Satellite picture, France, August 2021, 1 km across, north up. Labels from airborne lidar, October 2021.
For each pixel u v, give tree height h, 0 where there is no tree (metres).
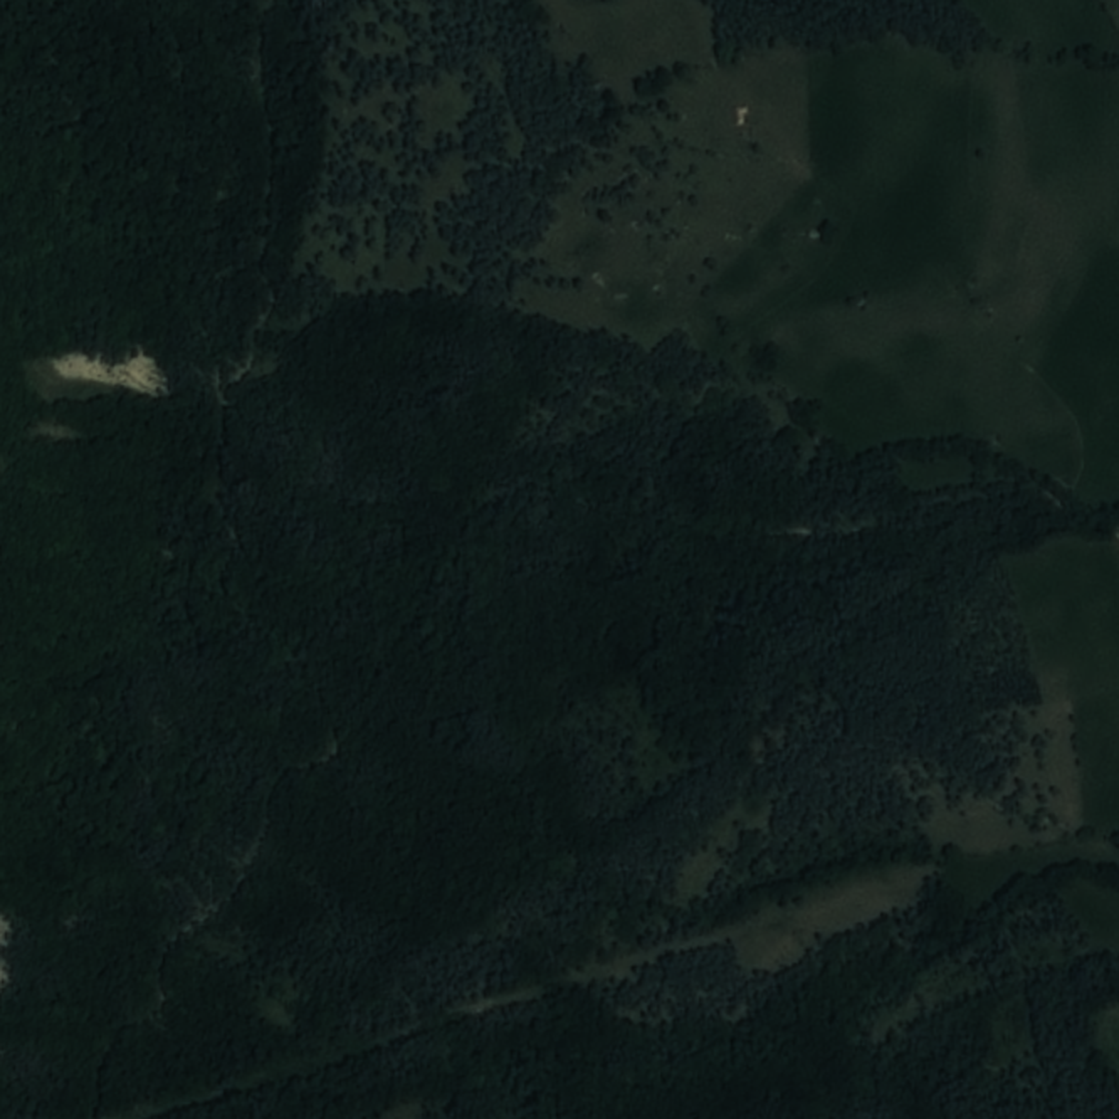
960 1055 14
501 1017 8
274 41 16
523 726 22
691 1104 26
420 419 18
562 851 13
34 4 22
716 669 29
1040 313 0
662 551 26
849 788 15
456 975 11
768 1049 25
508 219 13
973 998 14
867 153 0
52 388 0
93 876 15
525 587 22
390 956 16
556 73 11
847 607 26
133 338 15
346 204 12
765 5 19
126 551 25
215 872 13
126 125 17
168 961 12
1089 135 0
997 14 0
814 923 0
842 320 0
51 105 19
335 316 11
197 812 16
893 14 21
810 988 23
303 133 14
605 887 23
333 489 14
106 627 24
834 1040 22
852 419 0
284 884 17
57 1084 17
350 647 14
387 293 10
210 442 12
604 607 26
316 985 7
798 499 16
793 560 14
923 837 14
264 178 11
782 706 14
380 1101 28
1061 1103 17
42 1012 21
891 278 0
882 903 0
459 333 18
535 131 11
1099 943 0
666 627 26
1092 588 0
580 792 14
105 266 21
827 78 0
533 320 18
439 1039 11
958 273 0
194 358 9
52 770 16
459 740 13
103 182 12
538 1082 27
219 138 11
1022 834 0
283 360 7
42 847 23
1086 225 0
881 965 17
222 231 12
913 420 0
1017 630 14
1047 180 0
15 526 17
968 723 20
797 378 0
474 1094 19
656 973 14
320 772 15
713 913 15
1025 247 0
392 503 10
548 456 21
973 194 0
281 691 16
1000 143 0
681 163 0
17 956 13
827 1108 21
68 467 15
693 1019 16
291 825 12
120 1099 12
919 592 18
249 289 13
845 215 0
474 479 26
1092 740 0
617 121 12
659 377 12
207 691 21
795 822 18
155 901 13
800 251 0
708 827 15
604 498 21
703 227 0
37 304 19
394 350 19
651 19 0
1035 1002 15
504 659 21
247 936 6
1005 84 0
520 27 11
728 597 14
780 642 29
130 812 16
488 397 17
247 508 10
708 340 0
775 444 15
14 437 13
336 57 6
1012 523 18
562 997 14
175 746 8
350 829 14
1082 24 0
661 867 10
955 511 14
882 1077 20
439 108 0
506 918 7
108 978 24
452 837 12
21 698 17
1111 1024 0
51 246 19
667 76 14
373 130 8
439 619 18
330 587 19
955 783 15
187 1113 20
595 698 7
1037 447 0
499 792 14
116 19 12
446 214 14
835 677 20
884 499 17
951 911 21
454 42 14
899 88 0
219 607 24
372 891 13
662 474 8
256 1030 13
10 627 14
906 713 19
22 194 22
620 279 0
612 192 12
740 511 16
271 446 14
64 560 17
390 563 18
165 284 17
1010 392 0
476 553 15
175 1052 9
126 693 20
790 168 0
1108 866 12
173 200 9
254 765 16
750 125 0
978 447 16
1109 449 0
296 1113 18
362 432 12
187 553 11
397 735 14
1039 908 27
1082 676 0
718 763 18
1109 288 0
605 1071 14
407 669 12
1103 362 0
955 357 0
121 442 18
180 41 11
